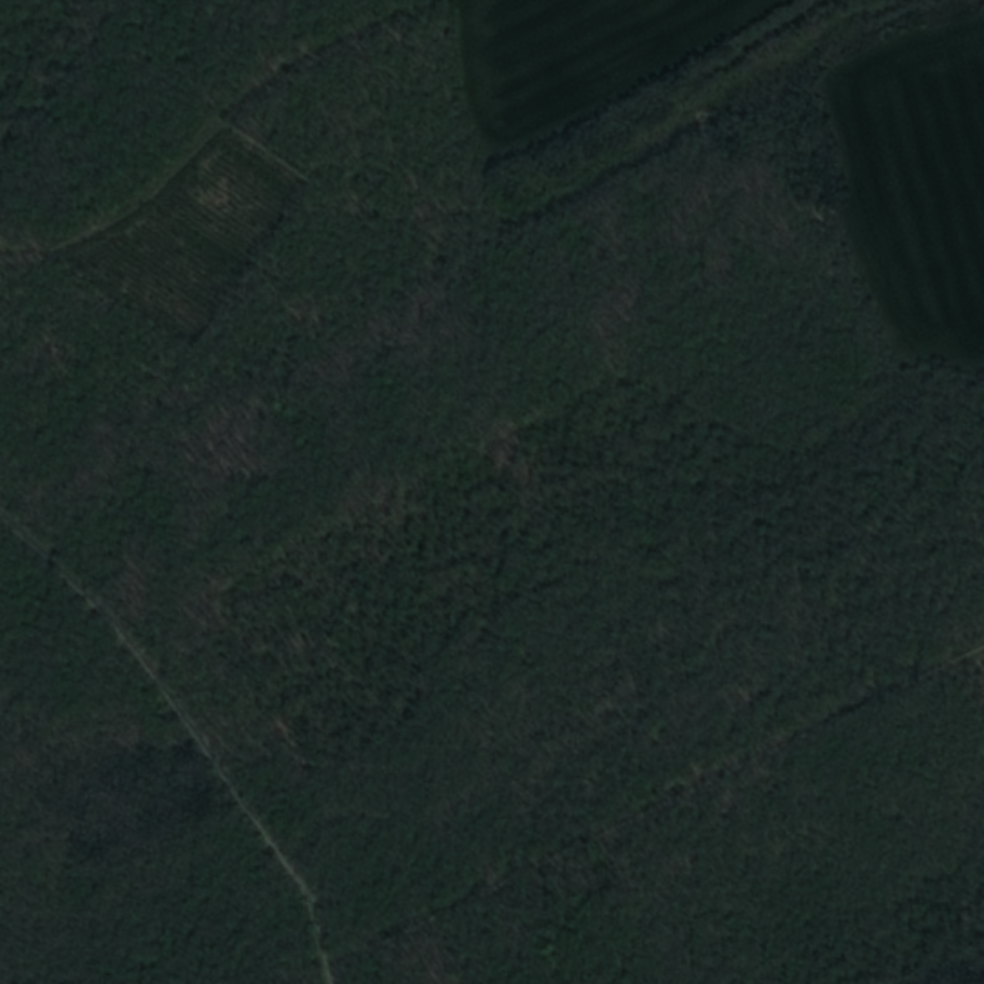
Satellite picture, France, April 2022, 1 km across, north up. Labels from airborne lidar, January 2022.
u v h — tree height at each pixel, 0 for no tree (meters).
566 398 21
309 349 21
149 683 20
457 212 21
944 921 23
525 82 0
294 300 23
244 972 20
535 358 26
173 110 21
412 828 24
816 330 23
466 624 18
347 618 24
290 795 20
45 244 20
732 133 21
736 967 21
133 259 0
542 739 19
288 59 24
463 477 0
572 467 22
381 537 23
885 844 22
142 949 22
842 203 20
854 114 0
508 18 0
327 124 21
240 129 22
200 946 22
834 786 20
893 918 24
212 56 22
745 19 0
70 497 26
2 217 22
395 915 21
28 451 24
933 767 21
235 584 24
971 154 0
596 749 21
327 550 24
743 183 31
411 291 29
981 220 0
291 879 15
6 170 26
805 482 20
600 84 0
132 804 14
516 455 23
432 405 27
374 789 23
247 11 24
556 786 21
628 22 0
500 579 13
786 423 22
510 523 24
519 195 21
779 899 18
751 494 18
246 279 20
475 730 23
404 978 25
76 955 21
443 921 22
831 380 24
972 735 21
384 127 24
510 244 27
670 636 19
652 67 0
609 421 20
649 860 24
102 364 25
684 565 26
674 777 22
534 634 23
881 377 24
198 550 27
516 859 20
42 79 27
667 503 23
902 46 0
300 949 24
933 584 22
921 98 0
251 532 26
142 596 23
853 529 21
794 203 24
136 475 27
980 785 20
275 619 0
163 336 20
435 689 24
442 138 23
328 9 21
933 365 6
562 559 20
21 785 21
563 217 22
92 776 14
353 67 21
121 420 25
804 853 20
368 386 26
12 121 27
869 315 23
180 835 17
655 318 26
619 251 31
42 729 20
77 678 21
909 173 0
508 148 0
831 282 22
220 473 27
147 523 22
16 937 20
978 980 20
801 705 21
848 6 22
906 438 23
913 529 23
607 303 27
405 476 24
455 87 18
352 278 20
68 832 20
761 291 24
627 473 24
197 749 20
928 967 20
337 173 24
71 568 21
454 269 27
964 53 0
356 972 23
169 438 23
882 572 23
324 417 26
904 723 22
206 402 28
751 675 24
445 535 16
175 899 18
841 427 22
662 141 18
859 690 23
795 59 13
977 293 0
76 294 22
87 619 23
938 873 22
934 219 0
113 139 23
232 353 21
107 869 20
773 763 22
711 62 18
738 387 23
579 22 0
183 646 22
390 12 18
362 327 25
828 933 22
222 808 14
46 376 23
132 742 21
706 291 24
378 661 24
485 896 22
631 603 22
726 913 20
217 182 0
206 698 22
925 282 0
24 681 22
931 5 19
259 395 29
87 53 26
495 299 25
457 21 18
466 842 23
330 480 24
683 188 32
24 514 24
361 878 22
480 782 24
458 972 22
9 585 20
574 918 22
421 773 21
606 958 21
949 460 23
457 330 29
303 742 24
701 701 21
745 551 22
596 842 25
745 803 24
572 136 17
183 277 0
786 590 19
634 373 20
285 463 30
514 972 21
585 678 23
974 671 19
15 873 23
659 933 24
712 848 19
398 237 22
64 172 22
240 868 21
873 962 26
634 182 27
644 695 20
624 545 24
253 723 24
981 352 0
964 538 22
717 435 23
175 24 23
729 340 24
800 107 20
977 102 0
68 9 24
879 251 0
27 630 20
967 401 26
